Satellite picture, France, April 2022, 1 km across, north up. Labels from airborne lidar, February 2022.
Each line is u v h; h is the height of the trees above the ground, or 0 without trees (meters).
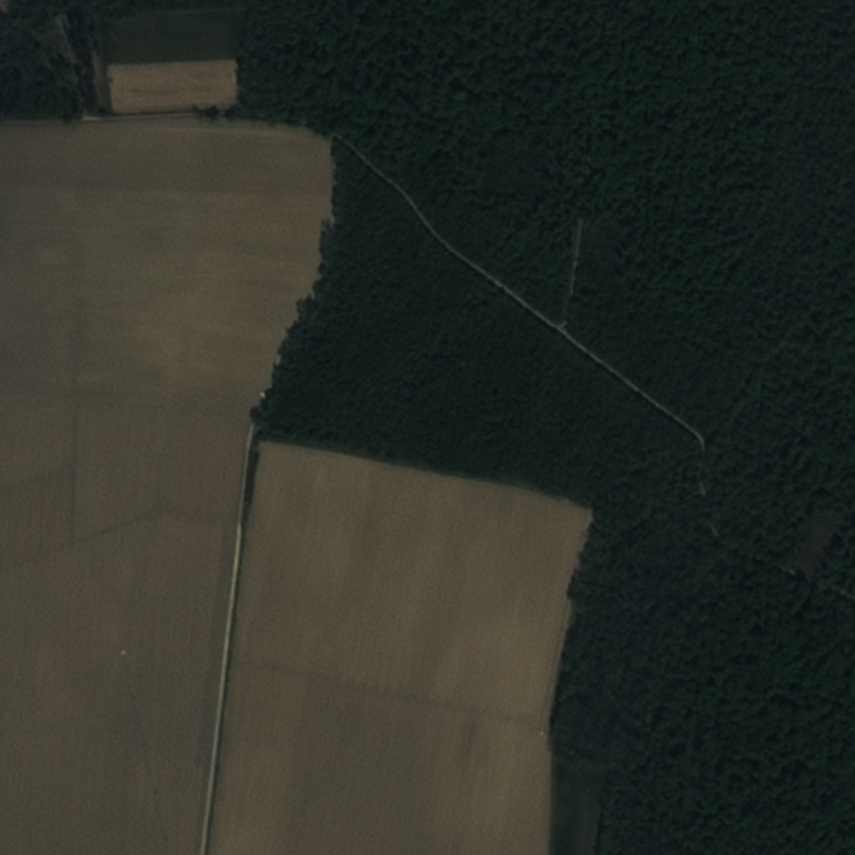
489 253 8
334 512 0
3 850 0
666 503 20
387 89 10
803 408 14
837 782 20
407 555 0
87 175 0
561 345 13
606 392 13
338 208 13
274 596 0
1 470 0
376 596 0
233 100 0
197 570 0
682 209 21
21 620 0
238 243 0
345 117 13
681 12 18
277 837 0
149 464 0
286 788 0
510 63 18
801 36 14
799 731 21
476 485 0
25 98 22
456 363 14
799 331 13
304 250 0
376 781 0
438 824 0
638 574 21
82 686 0
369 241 10
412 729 0
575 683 19
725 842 20
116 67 0
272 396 12
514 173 0
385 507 0
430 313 12
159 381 0
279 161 0
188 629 0
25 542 0
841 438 18
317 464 0
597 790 0
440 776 0
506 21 12
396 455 18
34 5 18
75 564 0
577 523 0
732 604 20
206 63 0
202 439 0
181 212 0
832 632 19
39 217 0
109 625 0
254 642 0
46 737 0
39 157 0
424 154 16
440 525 0
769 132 16
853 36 13
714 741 23
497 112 24
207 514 0
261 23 15
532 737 0
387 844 0
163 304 0
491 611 0
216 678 0
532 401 15
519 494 0
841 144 11
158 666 0
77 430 0
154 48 0
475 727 0
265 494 0
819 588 19
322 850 0
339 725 0
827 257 14
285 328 0
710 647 24
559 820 0
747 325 15
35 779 0
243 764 0
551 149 19
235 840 0
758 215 9
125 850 0
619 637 25
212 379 0
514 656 0
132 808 0
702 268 14
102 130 0
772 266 7
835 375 16
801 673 13
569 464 16
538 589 0
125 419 0
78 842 0
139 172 0
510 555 0
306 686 0
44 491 0
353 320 12
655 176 18
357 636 0
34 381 0
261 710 0
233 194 0
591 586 21
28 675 0
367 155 9
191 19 0
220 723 0
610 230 0
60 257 0
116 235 0
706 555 27
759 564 18
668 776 22
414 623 0
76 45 25
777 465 18
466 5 25
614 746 25
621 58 18
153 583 0
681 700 21
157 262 0
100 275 0
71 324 0
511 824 0
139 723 0
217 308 0
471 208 11
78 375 0
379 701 0
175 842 0
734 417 12
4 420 0
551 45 8
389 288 13
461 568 0
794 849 17
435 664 0
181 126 0
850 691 22
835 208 11
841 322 19
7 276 0
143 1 19
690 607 19
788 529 15
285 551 0
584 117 17
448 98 15
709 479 16
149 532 0
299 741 0
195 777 0
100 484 0
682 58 17
